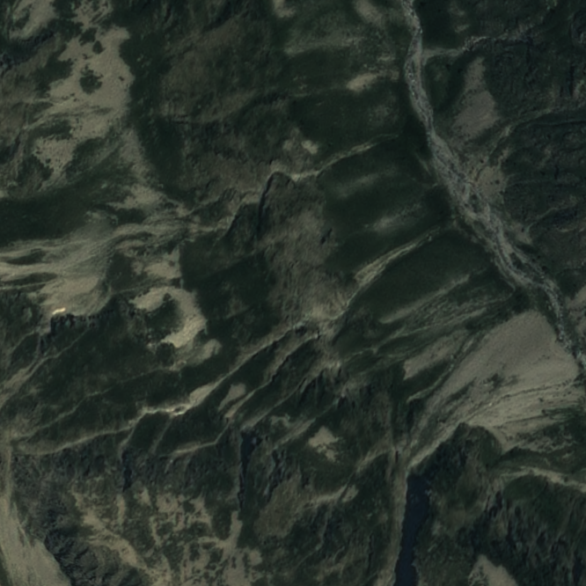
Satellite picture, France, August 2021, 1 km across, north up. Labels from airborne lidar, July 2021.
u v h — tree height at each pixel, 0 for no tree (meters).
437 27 0
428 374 0
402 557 0
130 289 0
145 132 0
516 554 8
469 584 0
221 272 0
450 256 0
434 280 0
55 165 0
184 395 0
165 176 0
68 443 0
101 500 0
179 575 0
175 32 0
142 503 0
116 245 0
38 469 0
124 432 0
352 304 0
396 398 0
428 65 0
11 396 0
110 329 0
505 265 0
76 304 0
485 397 0
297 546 0
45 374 0
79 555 0
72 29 0
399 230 0
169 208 0
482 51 0
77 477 0
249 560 0
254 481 0
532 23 0
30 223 0
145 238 0
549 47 0
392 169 0
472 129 0
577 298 0
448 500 0
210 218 0
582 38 0
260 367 0
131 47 0
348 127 0
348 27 0
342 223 0
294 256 0
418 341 0
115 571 0
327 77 0
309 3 0
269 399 0
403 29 0
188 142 0
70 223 0
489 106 0
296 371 0
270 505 0
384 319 0
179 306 0
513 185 0
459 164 0
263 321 0
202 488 0
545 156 0
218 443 0
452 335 0
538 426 0
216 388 0
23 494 0
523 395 0
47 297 0
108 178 0
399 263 0
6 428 0
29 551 0
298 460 0
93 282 0
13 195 0
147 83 0
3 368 0
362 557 0
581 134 0
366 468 0
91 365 0
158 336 0
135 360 0
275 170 0
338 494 0
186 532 0
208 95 0
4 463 0
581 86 0
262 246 0
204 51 0
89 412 0
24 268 0
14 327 0
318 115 0
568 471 0
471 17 0
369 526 0
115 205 0
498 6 0
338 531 0
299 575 0
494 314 0
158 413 0
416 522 0
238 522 0
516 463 0
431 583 0
